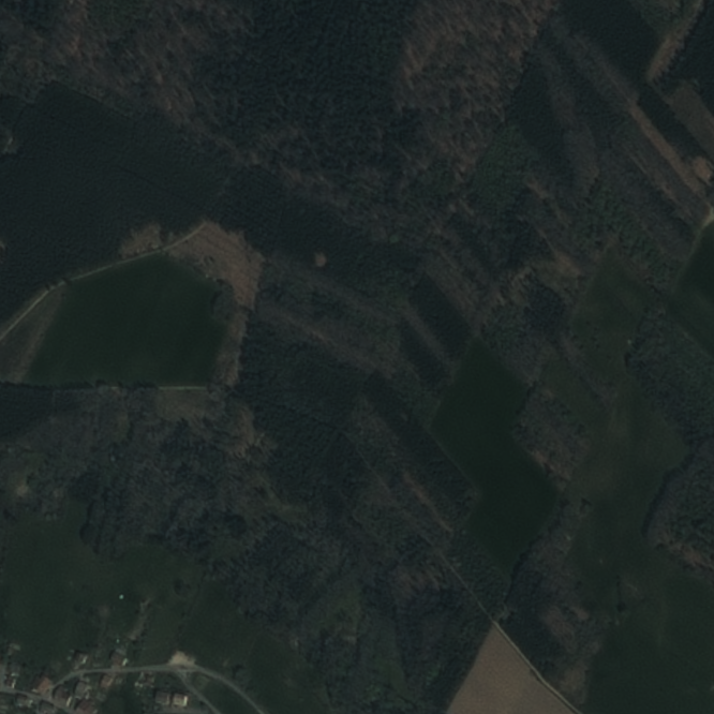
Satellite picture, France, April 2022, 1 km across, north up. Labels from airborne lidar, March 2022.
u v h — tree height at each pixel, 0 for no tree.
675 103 0
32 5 26
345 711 27
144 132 19
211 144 18
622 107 28
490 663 0
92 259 16
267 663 0
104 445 15
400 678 0
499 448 0
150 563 0
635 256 11
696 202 26
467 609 24
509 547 0
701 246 0
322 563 28
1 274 16
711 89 17
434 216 26
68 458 26
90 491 12
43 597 0
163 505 29
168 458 25
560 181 29
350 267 17
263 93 30
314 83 21
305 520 0
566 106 23
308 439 30
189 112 21
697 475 23
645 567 0
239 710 0
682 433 16
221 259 0
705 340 0
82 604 0
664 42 17
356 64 22
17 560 0
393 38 21
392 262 18
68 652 0
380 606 28
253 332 25
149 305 0
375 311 26
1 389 20
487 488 0
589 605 0
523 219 28
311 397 16
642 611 0
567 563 10
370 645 22
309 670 0
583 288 16
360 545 28
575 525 22
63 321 0
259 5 25
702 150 12
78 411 27
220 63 29
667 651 0
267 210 19
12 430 17
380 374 11
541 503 0
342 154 22
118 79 32
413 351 15
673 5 0
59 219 19
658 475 0
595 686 0
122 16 17
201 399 0
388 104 17
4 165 19
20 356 0
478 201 15
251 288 0
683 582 0
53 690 0
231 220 20
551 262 23
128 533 26
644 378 17
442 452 11
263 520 0
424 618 33
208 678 0
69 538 0
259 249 20
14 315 17
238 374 0
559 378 0
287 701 0
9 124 12
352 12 21
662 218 28
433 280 13
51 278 18
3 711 0
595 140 27
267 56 28
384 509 9
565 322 31
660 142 0
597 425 0
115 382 0
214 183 12
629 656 0
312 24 24
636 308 0
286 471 25
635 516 0
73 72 19
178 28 22
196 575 0
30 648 0
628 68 17
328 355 24
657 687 0
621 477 0
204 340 0
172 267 0
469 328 15
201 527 21
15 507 0
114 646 0
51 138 20
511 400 0
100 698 0
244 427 0
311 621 29
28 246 19
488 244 29
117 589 0
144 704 0
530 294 30
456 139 17
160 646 0
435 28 27
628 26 20
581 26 18
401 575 32
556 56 28
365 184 7
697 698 0
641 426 0
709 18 18
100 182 18
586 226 26
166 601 0
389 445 8
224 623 0
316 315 24
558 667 12
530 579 24
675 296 0
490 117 11
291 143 14
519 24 29
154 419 17
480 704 0
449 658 14
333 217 22
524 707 0
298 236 18
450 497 11
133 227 18
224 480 27
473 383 0
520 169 11
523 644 17
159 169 11
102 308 0
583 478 0
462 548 6
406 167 24
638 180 26
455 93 11
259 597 24
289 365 17
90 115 12
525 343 22
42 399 19
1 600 0
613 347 0
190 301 0
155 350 0
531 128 21
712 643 0
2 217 19
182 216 20
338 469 23
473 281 14
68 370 0
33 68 0
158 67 20
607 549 0
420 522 26
